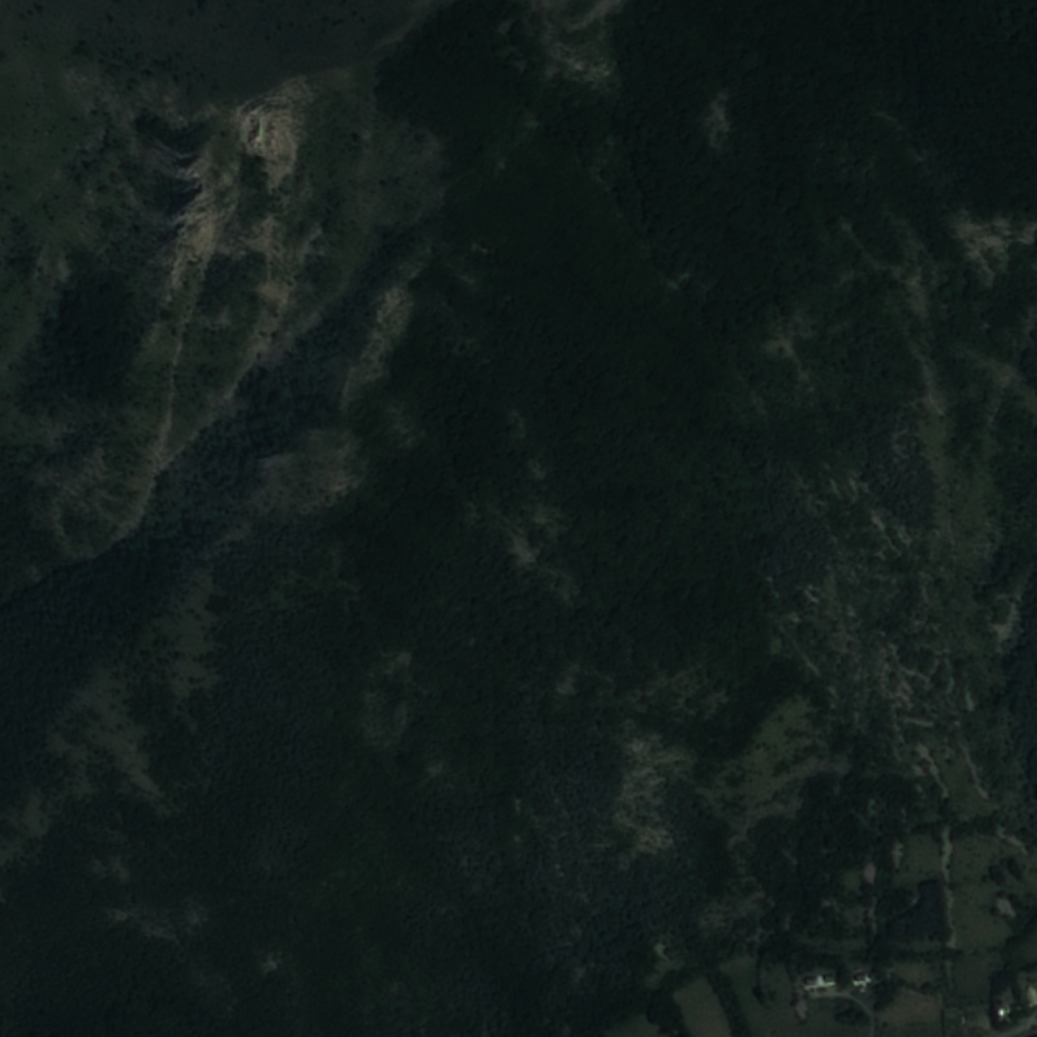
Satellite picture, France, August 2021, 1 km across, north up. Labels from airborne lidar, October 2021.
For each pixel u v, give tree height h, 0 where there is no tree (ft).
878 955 42
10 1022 30
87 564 24
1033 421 26
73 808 19
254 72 0
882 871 32
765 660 25
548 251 62
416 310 20
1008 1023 25
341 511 24
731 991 35
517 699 28
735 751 20
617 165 24
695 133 30
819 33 72
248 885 29
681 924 25
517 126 41
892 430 35
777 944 27
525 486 19
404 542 59
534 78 33
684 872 18
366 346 0
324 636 33
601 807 28
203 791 23
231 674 23
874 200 38
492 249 38
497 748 46
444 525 62
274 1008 33
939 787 30
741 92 23
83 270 19
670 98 55
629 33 44
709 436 27
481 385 67
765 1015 0
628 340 67
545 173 52
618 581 19
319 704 31
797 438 20
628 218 30
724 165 42
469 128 37
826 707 20
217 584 21
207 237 0
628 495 59
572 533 25
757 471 30
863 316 24
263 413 22
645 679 27
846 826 29
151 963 45
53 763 21
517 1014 42
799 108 46
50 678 46
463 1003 36
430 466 60
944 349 23
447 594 21
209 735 31
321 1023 43
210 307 24
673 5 55
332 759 31
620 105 37
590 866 26
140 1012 52
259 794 27
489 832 68
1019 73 75
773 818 29
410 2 0
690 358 57
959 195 37
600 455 50
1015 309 35
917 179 21
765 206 41
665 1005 46
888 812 24
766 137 59
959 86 51
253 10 0
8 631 46
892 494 30
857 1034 0
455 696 49
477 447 60
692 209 50
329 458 0
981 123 48
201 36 0
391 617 48
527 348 30
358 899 46
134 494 18
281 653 20
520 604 40
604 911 26
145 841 23
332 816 44
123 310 26
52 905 36
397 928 37
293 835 37
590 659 27
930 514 28
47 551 38
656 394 58
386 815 45
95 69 0
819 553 28
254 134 0
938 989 22
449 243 23
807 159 35
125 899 27
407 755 43
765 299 50
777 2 65
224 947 30
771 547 46
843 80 56
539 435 31
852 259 30
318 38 0
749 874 17
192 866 25
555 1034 43
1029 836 21
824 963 41
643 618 37
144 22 0
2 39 0
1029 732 43
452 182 38
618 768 26
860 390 24
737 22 57
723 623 50
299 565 24
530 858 19
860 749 23
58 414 28
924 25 61
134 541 27
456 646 37
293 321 0
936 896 63
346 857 22
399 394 37
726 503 40
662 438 43
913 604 25
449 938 26
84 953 48
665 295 32
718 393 47
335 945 46
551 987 34
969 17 72
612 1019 24
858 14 46
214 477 25
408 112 32
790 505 43
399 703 23
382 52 0
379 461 24
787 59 72
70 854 30
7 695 40
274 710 45
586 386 45
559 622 39
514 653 41
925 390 28
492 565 29
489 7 42
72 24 0
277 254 0
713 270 37
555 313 40
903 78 22
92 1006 52
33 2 0
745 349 23
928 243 22
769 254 37
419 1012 26
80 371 41
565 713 21
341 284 0
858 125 38
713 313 65
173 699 20
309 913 28
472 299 25
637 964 37
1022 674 79
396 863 22
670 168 51
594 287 71
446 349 27
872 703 27
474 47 62
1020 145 44
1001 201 53
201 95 0
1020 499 25
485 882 35
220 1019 26
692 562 30
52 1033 53
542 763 43
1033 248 21
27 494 29
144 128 56
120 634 28
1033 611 31
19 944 34
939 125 60
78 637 31
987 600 62
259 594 26
